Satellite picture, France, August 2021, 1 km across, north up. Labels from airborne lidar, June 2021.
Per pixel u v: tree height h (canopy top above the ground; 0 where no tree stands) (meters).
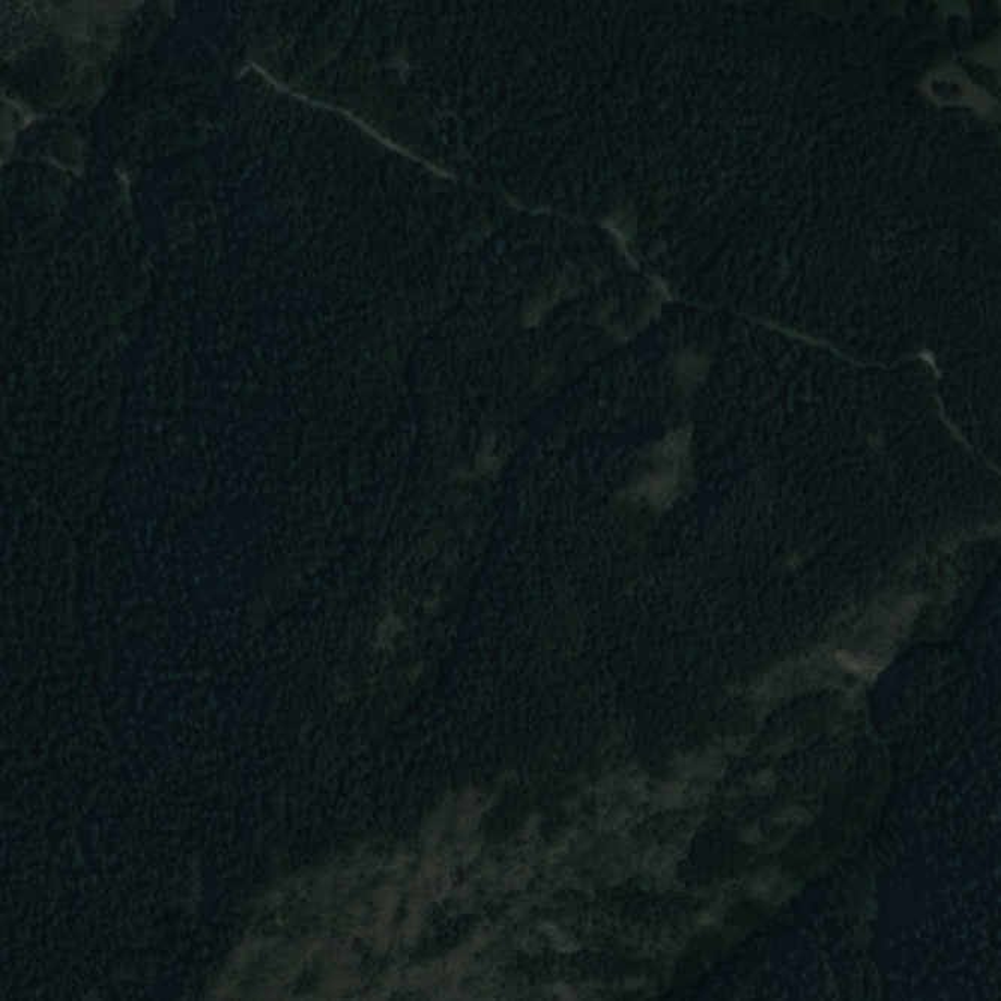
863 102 20
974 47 14
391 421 14
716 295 33
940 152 29
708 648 21
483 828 10
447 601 13
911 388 17
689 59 19
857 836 7
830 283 25
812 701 15
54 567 23
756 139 27
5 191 9
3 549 26
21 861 23
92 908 23
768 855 9
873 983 27
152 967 11
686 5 19
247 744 25
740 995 19
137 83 11
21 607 29
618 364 24
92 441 26
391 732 14
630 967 17
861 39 17
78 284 20
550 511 23
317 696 15
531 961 9
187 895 19
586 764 10
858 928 7
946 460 27
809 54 21
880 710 13
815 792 11
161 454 20
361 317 30
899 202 33
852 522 16
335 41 20
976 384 30
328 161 11
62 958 16
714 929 6
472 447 18
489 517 32
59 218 15
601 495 21
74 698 9
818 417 22
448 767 16
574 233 14
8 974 15
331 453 15
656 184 26
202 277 20
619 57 20
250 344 18
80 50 7
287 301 13
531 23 25
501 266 9
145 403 14
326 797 27
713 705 20
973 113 14
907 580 20
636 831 9
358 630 16
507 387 22
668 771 13
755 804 19
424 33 17
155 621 26
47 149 11
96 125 13
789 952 21
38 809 26
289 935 9
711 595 29
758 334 15
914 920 9
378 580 14
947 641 6
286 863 7
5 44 11
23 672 28
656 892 14
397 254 16
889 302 28
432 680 12
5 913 10
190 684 11
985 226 18
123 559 22
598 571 21
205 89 12
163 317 28
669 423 11
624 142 29
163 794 22
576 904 6
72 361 18
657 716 23
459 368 20
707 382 8
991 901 10
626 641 23
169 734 13
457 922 14
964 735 14
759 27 23
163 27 14
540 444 9
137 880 16
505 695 22
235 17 18
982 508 19
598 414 14
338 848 10
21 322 20
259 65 7
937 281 28
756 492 21
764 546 14
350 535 11
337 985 0
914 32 14
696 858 25
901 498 17
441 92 15
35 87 11
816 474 24
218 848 18
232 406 12
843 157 19
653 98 28
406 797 26
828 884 8
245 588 12
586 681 8
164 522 19
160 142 15
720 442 21
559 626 11
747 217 18
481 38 28
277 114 16
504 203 18
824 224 28
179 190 12
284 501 9
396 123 6
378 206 11
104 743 25
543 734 24
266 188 16
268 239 20
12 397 11
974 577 18
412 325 18
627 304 19
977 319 28
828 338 26
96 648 25
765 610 27
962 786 32
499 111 22
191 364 20
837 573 20
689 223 29
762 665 15
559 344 22
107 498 19
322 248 15
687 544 26
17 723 14
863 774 18
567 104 23
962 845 8
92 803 20
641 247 7
